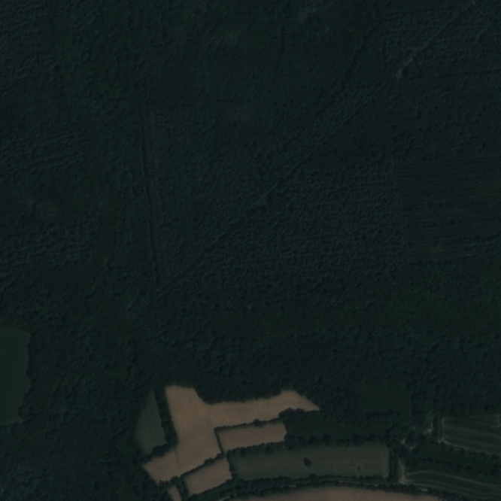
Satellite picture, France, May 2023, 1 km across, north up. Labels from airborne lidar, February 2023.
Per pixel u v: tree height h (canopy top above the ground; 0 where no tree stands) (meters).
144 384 17
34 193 14
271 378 23
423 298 15
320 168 27
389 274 19
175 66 14
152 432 0
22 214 16
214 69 13
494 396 19
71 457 17
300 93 17
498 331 21
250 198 29
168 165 17
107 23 20
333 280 20
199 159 17
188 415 0
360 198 31
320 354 22
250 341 20
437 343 18
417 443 18
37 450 20
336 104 29
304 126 16
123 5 21
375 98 15
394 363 20
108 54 21
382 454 0
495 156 19
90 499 18
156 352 21
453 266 19
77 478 20
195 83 17
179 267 23
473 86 18
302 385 24
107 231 23
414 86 18
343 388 22
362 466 0
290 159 21
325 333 19
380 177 26
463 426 0
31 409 23
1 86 12
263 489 10
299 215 29
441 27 18
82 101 13
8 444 20
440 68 21
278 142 21
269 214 29
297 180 24
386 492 13
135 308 17
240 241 34
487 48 21
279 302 19
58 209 22
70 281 20
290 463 0
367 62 18
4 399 0
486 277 17
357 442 23
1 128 16
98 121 16
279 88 14
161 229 19
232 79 12
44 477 21
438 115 22
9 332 0
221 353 23
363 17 13
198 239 26
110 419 14
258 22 19
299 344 21
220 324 23
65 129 18
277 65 16
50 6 19
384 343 18
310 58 18
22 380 0
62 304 8
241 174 17
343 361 22
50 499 19
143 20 20
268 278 25
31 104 15
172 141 19
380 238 19
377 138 23
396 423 22
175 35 25
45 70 25
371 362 25
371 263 19
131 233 11
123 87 14
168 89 14
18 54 17
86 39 22
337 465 0
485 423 0
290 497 0
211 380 24
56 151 26
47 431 7
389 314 16
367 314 20
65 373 15
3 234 14
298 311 17
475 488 0
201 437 0
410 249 19
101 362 23
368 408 0
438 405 19
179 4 18
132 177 17
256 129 17
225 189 27
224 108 18
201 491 0
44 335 21
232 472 14
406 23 25
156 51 17
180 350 31
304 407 0
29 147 29
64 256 30
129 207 18
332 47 14
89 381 9
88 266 17
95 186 20
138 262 15
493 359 22
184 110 21
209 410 0
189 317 16
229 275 19
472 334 21
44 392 23
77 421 18
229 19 23
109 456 17
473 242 11
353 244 21
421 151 23
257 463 0
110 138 10
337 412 26
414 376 20
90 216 18
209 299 21
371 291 21
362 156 26
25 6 25
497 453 0
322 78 14
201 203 23
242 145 15
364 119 19
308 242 28
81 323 15
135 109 14
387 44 19
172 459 0
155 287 11
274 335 22
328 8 15
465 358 28
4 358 0
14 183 23
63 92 17
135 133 16
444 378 21
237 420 0
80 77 15
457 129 23
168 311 17
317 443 16
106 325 22
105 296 21
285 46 22
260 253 32
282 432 0
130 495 0
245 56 15
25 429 20
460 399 27
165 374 21
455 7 24
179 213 18
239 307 20
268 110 17
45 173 22
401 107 21
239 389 22
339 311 20
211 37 23
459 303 18
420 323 15
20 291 15
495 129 23
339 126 21
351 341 15
